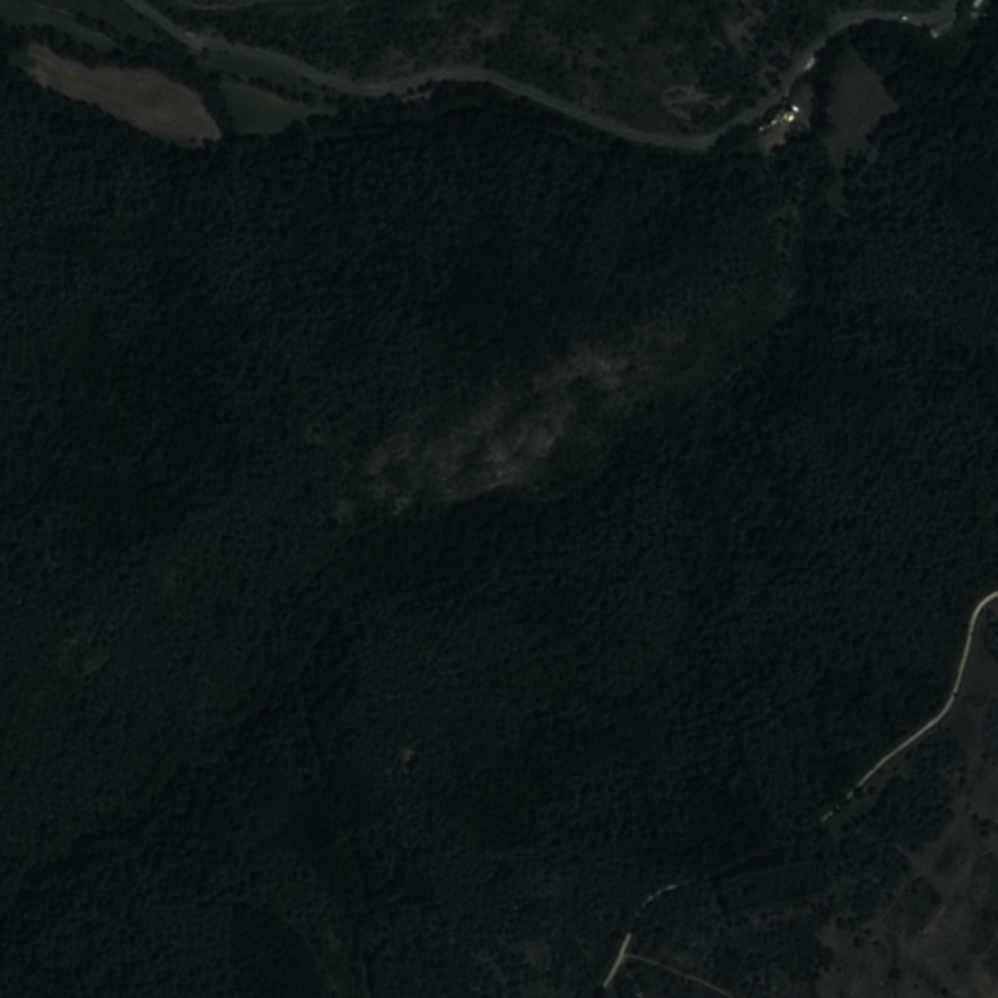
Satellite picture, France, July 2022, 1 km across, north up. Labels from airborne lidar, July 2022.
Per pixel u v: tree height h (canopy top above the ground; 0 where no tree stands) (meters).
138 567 17
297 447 10
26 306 9
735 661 13
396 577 12
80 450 12
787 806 28
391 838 10
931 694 9
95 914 17
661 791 17
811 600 24
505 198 16
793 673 24
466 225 9
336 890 13
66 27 0
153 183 23
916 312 12
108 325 20
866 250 18
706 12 12
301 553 18
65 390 9
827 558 11
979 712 0
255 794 14
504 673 13
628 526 17
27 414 18
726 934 9
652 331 7
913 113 16
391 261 15
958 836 0
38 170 19
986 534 13
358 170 15
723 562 25
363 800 17
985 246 24
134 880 28
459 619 20
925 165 16
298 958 15
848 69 0
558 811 14
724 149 18
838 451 19
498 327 14
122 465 13
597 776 5
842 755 11
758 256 11
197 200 24
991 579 8
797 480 18
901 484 14
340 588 32
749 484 15
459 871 10
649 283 15
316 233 27
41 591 7
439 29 9
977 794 0
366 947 10
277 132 0
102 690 11
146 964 21
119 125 26
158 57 18
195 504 13
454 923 11
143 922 14
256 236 23
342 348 10
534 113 9
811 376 18
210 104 29
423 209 7
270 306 17
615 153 12
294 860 12
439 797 10
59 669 7
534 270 17
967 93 13
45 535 9
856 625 12
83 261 13
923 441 8
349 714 18
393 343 19
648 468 10
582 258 23
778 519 20
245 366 14
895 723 8
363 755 16
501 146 13
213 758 19
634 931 10
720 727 18
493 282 18
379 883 16
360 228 19
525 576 17
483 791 12
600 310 12
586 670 17
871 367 16
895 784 15
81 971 15
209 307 17
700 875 15
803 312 23
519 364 10
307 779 22
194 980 17
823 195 23
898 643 9
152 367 21
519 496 14
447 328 15
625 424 17
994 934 0
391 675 14
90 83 0
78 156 21
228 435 13
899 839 12
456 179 11
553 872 10
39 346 9
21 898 14
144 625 17
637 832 11
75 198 20
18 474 18
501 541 19
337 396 10
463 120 19
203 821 18
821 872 21
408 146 11
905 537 10
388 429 7
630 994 10
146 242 22
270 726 32
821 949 7
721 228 14
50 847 7
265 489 17
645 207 17
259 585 23
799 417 14
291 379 12
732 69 19
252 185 21
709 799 22
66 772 7
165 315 20
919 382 7
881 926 0
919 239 20
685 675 14
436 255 15
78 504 13
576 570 10
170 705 22
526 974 11
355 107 16
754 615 22
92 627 7
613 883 17
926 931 0
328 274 14
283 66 0
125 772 14
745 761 31
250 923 16
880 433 7
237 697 18
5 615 18
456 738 14
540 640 13
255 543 12
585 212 19
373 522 16
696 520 28
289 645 22
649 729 15
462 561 26
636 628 12
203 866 17
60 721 10
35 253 22
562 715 13
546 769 12
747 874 25
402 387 10
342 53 9
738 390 14
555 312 16
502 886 6
